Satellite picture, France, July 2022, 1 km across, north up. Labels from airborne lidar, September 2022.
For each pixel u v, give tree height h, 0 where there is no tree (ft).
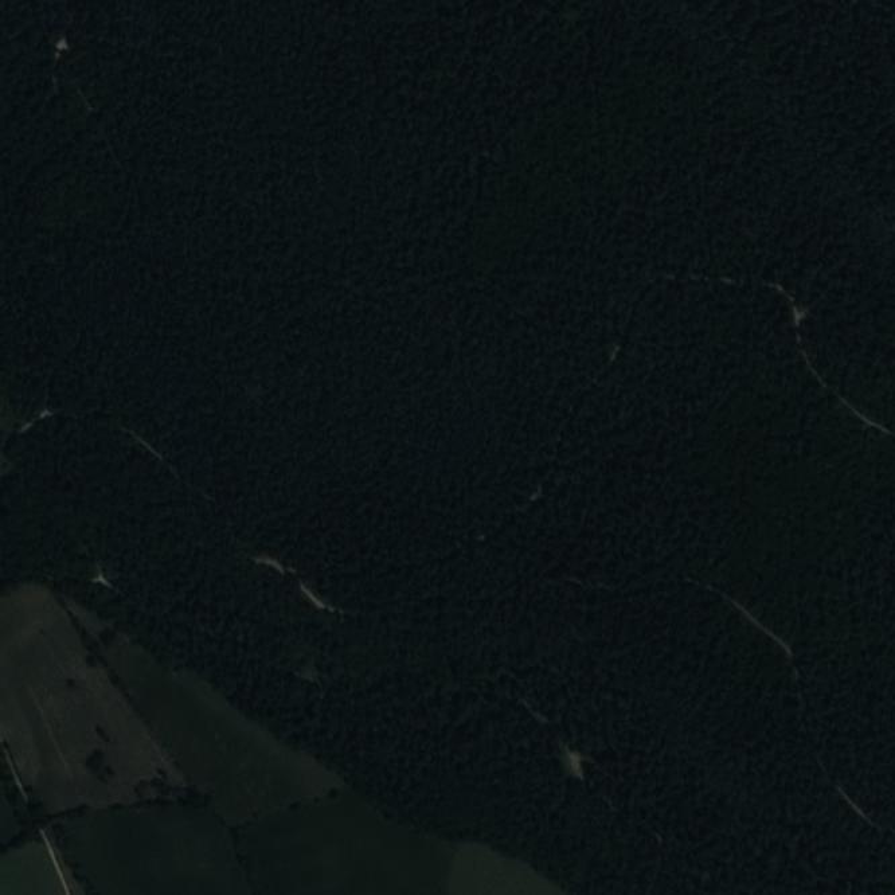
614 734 31
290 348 53
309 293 62
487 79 27
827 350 39
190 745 0
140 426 44
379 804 59
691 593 46
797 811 83
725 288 26
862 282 48
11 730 0
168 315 60
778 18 107
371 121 30
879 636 56
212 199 56
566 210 32
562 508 56
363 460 63
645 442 29
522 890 0
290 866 0
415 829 60
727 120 53
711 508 32
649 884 67
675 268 54
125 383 77
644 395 26
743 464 23
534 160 31
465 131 78
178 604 73
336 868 0
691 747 34
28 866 0
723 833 72
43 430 28
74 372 47
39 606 0
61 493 84
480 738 64
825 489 29
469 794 64
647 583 39
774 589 31
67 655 0
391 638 51
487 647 57
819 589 29
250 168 58
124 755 0
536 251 39
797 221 40
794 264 34
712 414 34
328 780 0
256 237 64
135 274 89
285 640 58
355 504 77
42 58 25
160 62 78
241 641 23
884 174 129
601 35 37
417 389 66
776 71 107
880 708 49
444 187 29
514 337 34
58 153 46
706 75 19
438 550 44
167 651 57
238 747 0
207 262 48
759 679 33
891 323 61
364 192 40
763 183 42
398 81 81
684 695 53
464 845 0
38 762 0
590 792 56
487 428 65
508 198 27
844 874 43
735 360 31
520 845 55
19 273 45
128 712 0
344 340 73
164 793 48
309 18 52
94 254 80
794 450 40
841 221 26
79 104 41
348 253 48
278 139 64
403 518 57
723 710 64
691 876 64
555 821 78
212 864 0
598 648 74
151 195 58
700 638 31
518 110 47
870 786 52
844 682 70
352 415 53
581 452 51
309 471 66
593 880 50
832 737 57
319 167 54
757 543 23
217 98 56
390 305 60
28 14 70
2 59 56
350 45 70
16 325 78
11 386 57
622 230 68
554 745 74
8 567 44
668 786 71
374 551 56
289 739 24
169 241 63
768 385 25
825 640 28
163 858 0
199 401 73
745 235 22
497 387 51
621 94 27
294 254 37
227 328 51
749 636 27
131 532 65
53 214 51
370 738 85
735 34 91
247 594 70
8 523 57
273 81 41
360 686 56
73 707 0
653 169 30
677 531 36
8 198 73
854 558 31
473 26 61
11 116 67
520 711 80
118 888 0
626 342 53
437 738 105
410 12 63
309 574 53
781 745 44
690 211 60
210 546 59
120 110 53
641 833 65
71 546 59
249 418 53
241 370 54
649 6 52
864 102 121
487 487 69
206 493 56
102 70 45
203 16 58
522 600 64
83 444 43
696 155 59
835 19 122
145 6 97
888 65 98
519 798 59
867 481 22
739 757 63
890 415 30
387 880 0
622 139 25
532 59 65
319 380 55
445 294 46
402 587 61
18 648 0
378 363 61
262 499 74
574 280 24
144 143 52
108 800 0
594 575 91
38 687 0
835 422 29
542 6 97
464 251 25
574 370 53
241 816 0
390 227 46
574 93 29
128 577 58
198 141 46
